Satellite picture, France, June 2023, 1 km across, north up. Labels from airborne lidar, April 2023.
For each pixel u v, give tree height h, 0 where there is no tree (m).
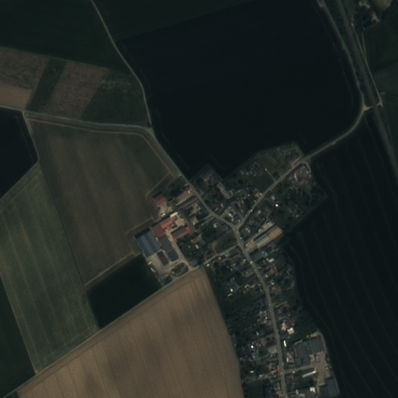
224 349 0
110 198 0
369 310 0
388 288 0
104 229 0
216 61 0
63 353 0
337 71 0
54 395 0
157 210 0
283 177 0
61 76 0
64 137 0
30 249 0
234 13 0
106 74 0
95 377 0
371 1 8
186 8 0
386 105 0
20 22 0
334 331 0
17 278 0
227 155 0
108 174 0
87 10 0
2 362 0
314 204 12
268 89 0
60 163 0
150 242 0
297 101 0
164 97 0
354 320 0
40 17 0
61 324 0
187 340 0
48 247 0
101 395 0
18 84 0
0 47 0
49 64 0
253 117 0
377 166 0
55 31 0
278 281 8
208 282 0
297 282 0
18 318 0
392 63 0
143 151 0
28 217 0
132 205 0
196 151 0
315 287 0
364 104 0
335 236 0
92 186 0
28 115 0
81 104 0
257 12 0
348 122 0
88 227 0
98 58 0
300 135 0
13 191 0
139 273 0
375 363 0
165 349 0
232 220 0
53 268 0
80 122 0
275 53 0
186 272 0
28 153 0
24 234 0
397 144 0
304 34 0
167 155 0
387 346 0
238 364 0
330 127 0
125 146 0
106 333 0
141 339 0
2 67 0
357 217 0
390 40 0
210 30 0
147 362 0
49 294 0
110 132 0
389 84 0
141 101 0
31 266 0
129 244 0
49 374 0
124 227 0
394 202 0
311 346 0
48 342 0
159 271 0
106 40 0
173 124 0
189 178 0
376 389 0
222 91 0
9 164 0
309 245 0
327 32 0
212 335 0
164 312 0
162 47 0
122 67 0
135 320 0
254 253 6
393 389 0
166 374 0
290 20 0
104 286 0
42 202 0
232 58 0
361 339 0
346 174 0
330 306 0
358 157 0
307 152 0
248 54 0
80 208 0
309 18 0
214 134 0
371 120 0
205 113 0
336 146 0
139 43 0
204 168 0
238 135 0
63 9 0
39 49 0
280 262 0
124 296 0
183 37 0
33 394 0
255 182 0
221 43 0
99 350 0
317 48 0
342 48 0
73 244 0
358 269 0
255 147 0
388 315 0
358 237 0
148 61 0
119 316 0
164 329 0
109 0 0
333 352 0
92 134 0
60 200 0
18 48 0
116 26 0
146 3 0
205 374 0
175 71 0
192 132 0
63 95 0
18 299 0
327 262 0
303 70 0
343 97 0
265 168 0
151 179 0
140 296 0
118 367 0
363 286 0
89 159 0
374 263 0
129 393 0
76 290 0
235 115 0
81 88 0
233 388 0
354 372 0
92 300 0
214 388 0
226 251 0
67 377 0
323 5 0
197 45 0
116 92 0
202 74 0
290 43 0
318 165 0
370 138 0
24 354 0
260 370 12
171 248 0
